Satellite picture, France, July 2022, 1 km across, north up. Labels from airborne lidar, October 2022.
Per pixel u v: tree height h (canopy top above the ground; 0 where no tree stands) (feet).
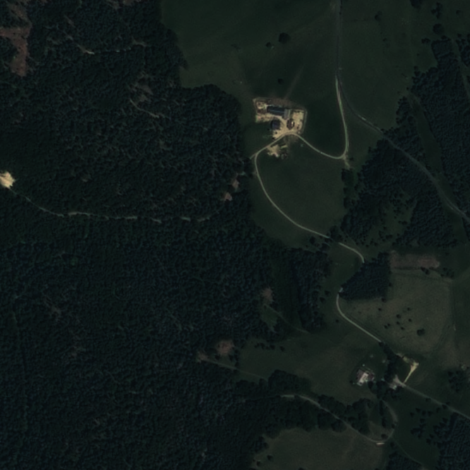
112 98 57
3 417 92
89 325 80
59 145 69
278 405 94
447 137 46
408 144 77
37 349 72
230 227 71
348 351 0
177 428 72
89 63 70
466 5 0
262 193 0
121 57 88
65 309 70
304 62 0
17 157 26
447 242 58
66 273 83
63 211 47
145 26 73
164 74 35
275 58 0
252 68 0
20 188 49
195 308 80
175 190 70
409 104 56
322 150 0
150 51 73
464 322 0
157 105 79
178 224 98
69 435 61
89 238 87
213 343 83
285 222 0
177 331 74
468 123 50
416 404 0
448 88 69
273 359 0
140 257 84
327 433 0
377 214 40
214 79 0
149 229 71
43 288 92
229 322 68
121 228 76
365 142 0
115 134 62
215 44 0
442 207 60
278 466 0
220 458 66
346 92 0
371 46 0
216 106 74
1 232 68
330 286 0
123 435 19
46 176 49
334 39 0
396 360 69
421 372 0
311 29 0
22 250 99
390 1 0
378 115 0
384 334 0
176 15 0
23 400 80
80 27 66
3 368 65
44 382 65
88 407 77
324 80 0
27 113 69
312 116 0
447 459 65
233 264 75
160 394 101
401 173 84
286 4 0
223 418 79
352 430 0
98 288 77
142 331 82
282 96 0
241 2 0
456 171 53
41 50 65
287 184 0
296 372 0
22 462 51
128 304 20
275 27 0
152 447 71
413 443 0
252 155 0
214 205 58
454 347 0
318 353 0
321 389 0
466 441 72
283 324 22
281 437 0
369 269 68
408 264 0
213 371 72
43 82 46
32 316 69
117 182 52
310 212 0
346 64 0
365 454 0
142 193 48
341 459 0
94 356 90
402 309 0
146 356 83
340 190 0
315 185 0
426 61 0
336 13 0
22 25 69
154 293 74
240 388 62
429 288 0
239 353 49
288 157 0
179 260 80
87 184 61
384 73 0
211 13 0
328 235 25
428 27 0
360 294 65
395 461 47
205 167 73
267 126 0
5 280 62
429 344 0
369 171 69
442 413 31
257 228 85
